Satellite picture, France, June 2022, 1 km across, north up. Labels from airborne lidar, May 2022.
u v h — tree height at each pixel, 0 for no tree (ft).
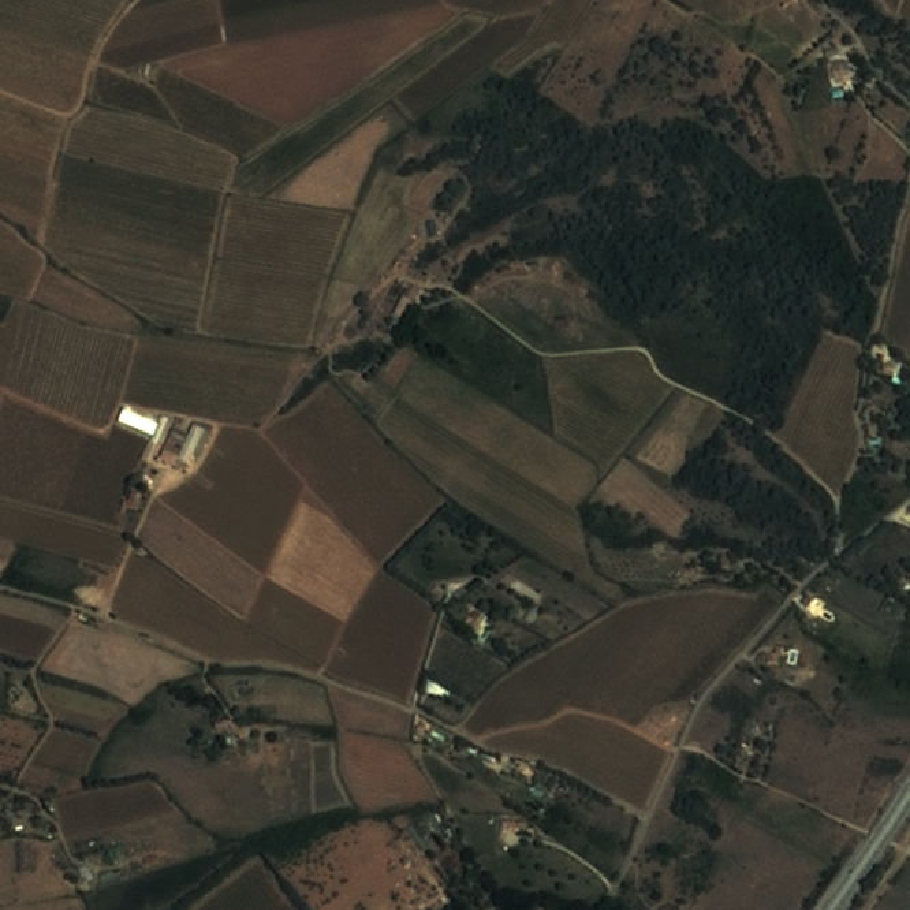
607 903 55
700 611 0
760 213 31
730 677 0
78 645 0
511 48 0
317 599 0
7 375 0
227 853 0
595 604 0
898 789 0
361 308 34
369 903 0
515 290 0
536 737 0
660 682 0
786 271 31
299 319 0
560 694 0
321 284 0
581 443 0
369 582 0
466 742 23
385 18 0
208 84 0
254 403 0
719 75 40
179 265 0
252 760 0
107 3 0
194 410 0
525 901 68
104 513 0
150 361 0
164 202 0
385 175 0
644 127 48
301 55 0
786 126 0
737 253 38
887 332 0
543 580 0
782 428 21
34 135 0
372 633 0
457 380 0
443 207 37
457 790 0
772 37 0
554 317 0
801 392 0
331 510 0
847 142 0
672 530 0
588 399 0
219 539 0
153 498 0
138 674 0
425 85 0
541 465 0
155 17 0
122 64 0
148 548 0
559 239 30
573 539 0
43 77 0
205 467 0
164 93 0
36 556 0
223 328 0
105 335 0
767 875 0
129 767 0
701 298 0
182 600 0
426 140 0
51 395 0
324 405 0
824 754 0
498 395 0
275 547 0
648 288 27
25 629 0
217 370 0
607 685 0
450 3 0
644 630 0
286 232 0
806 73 25
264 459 0
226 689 0
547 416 0
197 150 0
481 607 40
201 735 44
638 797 0
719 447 39
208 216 0
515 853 32
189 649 0
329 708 0
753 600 0
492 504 0
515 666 34
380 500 0
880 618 0
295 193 0
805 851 0
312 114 0
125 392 0
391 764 0
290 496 0
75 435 0
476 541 50
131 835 0
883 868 34
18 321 0
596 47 0
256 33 0
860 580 27
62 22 0
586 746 0
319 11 0
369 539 0
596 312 0
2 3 0
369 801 0
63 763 0
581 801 18
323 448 0
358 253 0
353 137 0
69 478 0
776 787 0
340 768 0
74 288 0
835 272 19
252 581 0
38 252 0
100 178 0
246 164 0
